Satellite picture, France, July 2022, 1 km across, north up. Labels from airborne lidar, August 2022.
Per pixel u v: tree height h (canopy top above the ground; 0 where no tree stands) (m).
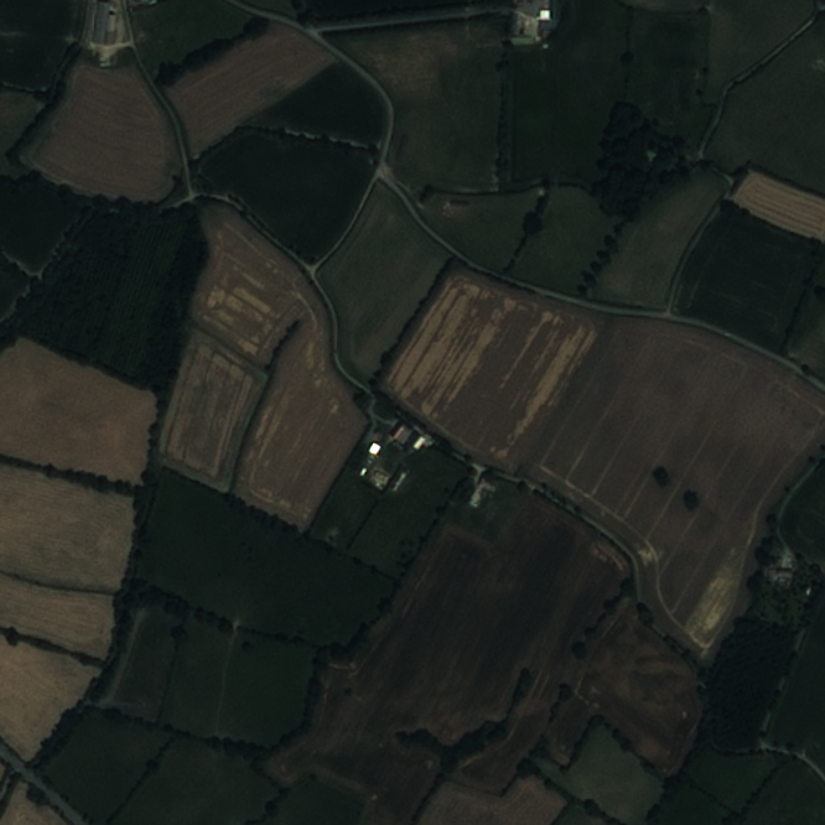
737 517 0
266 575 0
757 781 0
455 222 0
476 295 0
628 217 13
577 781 0
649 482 0
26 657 0
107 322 6
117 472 0
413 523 0
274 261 0
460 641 0
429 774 0
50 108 12
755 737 7
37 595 0
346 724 0
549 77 0
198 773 0
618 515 0
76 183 0
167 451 0
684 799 0
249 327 0
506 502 0
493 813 0
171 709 0
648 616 18
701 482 0
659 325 0
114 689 0
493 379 0
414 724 0
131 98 0
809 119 0
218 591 0
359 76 0
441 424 0
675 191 0
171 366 8
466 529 0
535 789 0
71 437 0
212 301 0
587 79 0
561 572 0
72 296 6
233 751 18
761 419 0
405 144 0
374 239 0
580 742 7
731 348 0
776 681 9
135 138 0
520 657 0
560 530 0
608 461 0
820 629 0
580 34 0
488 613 0
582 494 0
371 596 0
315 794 0
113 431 0
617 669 0
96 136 0
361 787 0
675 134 0
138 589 18
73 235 12
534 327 0
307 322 0
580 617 0
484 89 0
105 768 0
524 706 0
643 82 0
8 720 0
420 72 0
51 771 0
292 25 0
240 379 0
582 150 0
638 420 0
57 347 7
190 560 0
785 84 0
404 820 0
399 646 0
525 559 0
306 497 0
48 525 0
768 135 0
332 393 0
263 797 0
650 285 0
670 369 0
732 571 0
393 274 0
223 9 0
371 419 7
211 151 9
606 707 0
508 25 8
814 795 0
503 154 12
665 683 0
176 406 0
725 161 0
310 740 0
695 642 0
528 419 0
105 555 0
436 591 0
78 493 0
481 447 0
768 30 0
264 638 5
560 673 0
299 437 0
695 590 0
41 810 0
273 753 8
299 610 0
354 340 0
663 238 0
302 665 0
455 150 0
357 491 0
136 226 6
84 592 0
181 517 0
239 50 0
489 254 0
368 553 0
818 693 0
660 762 0
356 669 0
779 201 0
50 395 0
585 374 0
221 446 0
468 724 0
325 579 0
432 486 0
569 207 0
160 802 0
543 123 0
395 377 0
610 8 0
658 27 0
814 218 0
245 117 0
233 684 0
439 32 0
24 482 0
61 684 0
